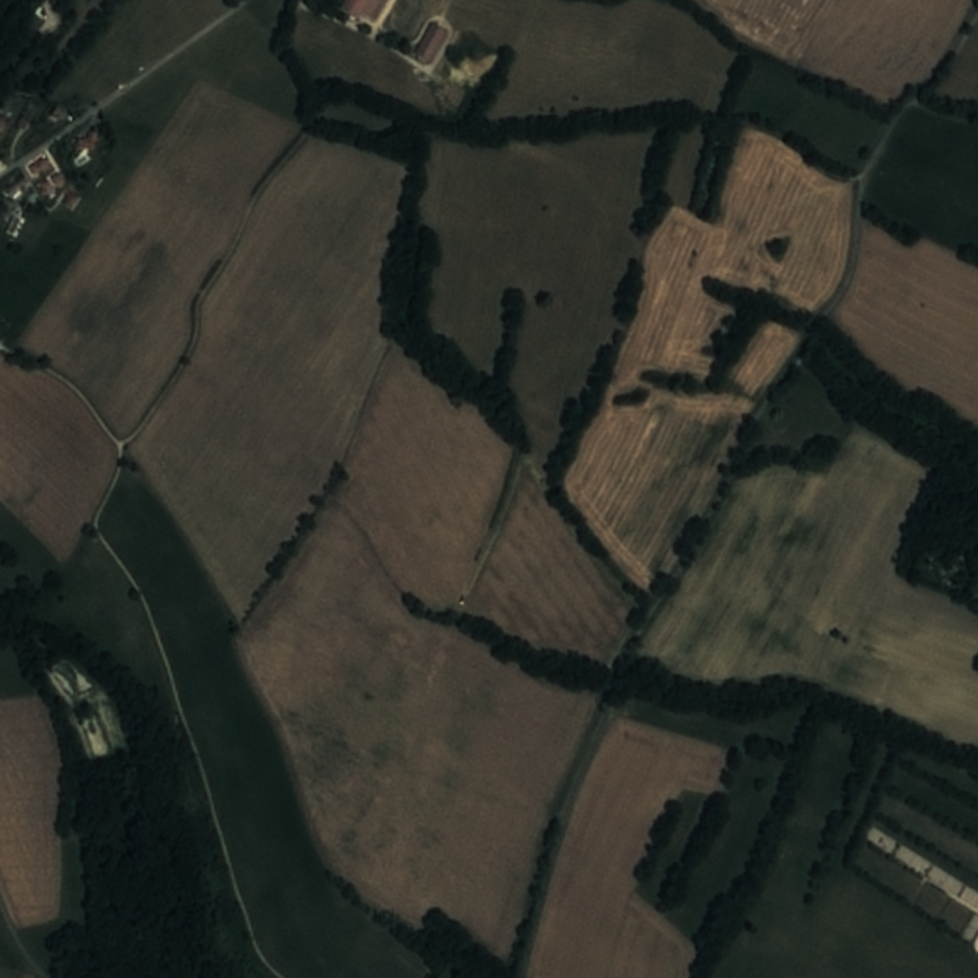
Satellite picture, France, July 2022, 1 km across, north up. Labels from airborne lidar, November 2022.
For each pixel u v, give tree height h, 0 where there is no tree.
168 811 20
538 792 0
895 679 0
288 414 0
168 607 0
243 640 0
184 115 0
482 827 0
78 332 0
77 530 0
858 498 0
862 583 0
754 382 0
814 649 0
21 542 0
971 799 12
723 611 0
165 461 0
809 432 0
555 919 0
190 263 0
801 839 0
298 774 0
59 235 0
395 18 0
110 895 20
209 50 0
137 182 0
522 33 0
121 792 15
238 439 0
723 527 0
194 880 18
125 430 0
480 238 0
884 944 0
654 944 0
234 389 0
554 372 0
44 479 0
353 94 22
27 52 11
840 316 0
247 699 0
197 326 0
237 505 0
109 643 0
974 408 0
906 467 0
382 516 0
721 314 0
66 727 9
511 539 0
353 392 0
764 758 20
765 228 0
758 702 16
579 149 0
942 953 0
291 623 0
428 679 0
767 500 0
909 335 0
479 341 0
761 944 0
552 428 0
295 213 0
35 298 0
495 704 0
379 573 0
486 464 0
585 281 0
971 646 0
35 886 0
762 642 0
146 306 0
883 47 0
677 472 0
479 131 25
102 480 0
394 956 0
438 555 0
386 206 0
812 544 0
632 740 0
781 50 0
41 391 0
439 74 0
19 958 0
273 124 0
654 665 19
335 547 0
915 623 0
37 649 14
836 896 0
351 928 0
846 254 0
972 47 0
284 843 0
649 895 0
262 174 0
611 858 0
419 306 21
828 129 0
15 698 0
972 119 17
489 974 23
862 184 0
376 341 0
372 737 0
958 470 23
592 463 0
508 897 0
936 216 0
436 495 0
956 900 0
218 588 0
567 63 0
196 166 0
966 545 20
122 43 0
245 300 0
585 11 0
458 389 16
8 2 11
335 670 0
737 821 0
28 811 0
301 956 0
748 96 0
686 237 0
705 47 0
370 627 0
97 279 0
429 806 0
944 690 0
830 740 0
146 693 19
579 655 16
